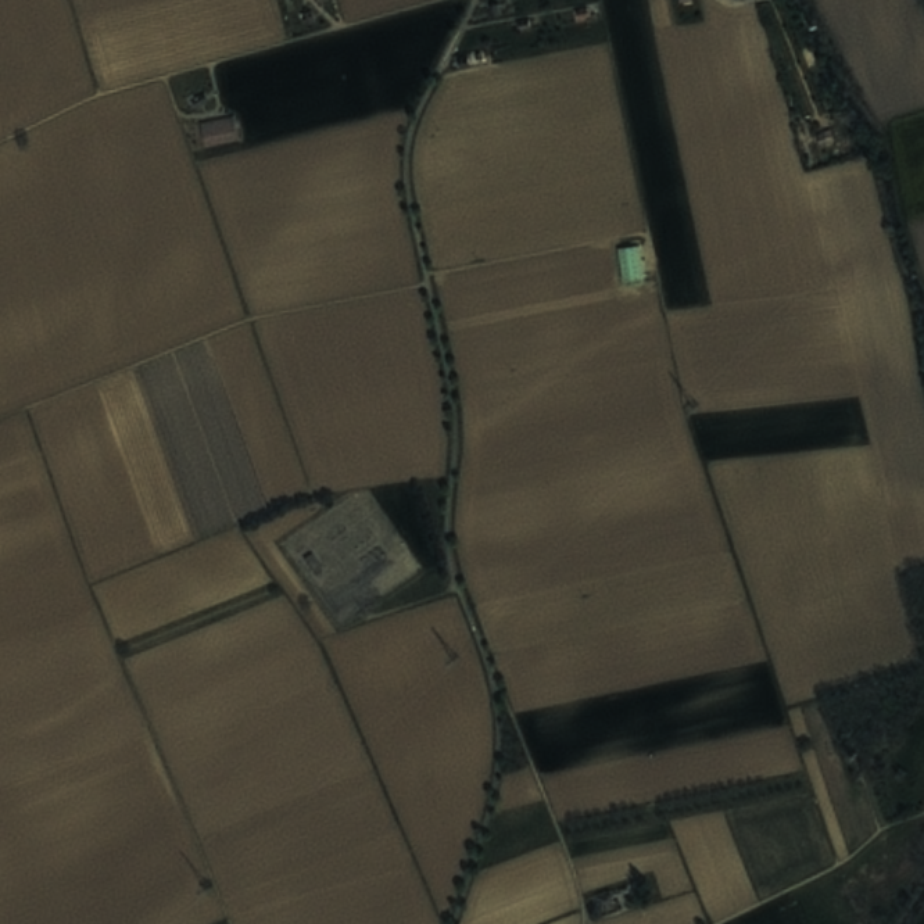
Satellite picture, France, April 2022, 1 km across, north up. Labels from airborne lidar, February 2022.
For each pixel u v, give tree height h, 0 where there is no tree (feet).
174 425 0
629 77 0
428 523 27
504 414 0
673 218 0
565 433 0
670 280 0
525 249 0
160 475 0
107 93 0
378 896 0
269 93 0
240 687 0
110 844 0
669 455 0
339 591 0
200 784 0
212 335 0
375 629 0
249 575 0
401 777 0
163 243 0
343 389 0
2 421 0
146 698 0
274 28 0
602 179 0
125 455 0
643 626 0
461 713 0
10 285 0
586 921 0
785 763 0
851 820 0
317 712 0
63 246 0
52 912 0
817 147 36
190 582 0
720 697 0
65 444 0
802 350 0
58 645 0
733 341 0
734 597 0
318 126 0
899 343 0
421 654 0
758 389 0
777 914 0
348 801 0
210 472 0
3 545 0
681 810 36
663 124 0
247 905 0
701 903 0
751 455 0
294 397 0
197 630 0
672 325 0
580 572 0
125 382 0
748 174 0
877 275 0
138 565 0
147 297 0
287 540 0
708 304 0
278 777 0
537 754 0
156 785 0
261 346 0
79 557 0
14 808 0
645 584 0
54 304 0
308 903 0
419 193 0
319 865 0
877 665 0
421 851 0
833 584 0
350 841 0
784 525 0
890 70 0
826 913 0
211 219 0
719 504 0
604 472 0
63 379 0
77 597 0
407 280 0
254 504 0
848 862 0
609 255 0
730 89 0
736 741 0
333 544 0
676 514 0
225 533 0
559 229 0
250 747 0
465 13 37
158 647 0
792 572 0
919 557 0
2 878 0
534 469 0
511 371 0
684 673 0
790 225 0
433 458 0
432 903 0
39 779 0
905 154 0
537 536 0
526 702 0
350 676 0
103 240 0
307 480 0
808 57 0
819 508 0
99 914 0
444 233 0
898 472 0
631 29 0
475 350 0
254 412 0
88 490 0
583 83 0
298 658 0
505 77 0
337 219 0
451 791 0
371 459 0
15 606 0
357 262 0
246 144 0
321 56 0
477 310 0
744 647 0
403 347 0
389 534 0
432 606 0
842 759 0
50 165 0
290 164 0
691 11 0
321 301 0
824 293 0
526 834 0
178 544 0
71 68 0
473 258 0
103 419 0
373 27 0
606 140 0
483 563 0
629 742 0
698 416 0
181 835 0
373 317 0
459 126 0
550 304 0
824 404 0
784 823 0
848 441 0
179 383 0
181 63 0
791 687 0
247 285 0
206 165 0
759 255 0
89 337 0
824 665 0
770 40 0
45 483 0
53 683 0
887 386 0
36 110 0
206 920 0
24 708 0
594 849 0
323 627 0
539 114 0
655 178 0
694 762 0
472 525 0
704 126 0
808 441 0
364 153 0
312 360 0
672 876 0
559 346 0
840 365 0
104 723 0
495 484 0
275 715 0
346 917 0
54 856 0
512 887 0
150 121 0
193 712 0
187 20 0
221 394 0
